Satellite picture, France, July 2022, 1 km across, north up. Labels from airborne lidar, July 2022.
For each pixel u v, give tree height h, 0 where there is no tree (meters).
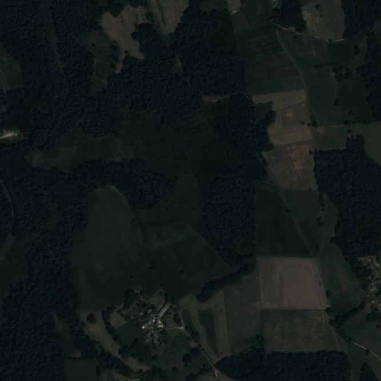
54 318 7
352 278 0
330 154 22
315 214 0
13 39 23
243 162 13
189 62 24
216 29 17
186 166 0
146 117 0
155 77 27
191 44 20
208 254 0
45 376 31
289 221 0
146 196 35
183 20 19
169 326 0
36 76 24
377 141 0
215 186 27
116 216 0
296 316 0
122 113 17
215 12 21
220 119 9
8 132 0
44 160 0
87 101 27
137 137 0
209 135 0
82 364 0
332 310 17
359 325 0
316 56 0
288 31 0
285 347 0
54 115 30
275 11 18
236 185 23
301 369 22
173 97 29
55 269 25
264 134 14
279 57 0
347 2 20
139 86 25
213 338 0
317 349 0
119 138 0
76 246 0
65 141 0
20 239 33
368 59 18
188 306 0
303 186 0
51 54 32
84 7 24
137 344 15
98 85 0
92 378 0
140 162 33
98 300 0
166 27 0
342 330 14
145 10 0
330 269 0
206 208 18
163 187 31
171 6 0
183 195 0
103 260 0
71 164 0
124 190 20
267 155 0
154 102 21
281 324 0
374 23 20
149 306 6
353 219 21
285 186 0
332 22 0
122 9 17
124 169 36
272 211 0
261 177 7
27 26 19
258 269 0
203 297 19
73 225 23
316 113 0
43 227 25
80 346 18
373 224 12
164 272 0
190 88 28
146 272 0
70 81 27
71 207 32
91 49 0
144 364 0
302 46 0
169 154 0
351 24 17
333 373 25
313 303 0
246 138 15
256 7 0
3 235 16
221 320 0
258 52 0
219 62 25
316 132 0
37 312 33
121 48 0
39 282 24
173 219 0
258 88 0
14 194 36
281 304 0
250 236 21
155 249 0
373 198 26
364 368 18
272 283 0
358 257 14
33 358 31
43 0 9
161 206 0
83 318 0
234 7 0
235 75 28
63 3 27
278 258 0
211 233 18
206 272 0
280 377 23
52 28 0
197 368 0
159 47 26
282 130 0
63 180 26
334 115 0
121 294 0
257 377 22
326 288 0
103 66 0
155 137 0
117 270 0
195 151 0
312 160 0
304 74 0
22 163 27
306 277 0
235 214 24
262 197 0
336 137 0
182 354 0
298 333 0
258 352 8
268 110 0
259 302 0
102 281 0
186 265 0
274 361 21
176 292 0
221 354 0
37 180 24
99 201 0
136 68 24
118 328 0
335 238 16
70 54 23
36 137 34
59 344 35
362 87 0
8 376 8
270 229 0
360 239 11
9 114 18
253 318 0
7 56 0
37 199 28
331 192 19
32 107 8
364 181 33
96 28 19
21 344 36
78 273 0
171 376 0
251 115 6
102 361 7
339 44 0
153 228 0
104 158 0
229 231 23
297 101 0
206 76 24
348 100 0
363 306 12
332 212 0
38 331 29
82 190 26
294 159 0
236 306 0
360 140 17
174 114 25
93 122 21
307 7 0
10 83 0
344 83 0
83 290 0
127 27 0
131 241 0
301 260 0
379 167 25
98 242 0
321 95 0
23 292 27
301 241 0
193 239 0
